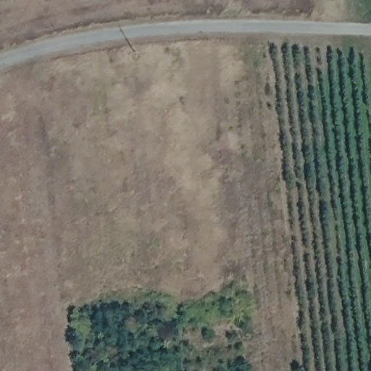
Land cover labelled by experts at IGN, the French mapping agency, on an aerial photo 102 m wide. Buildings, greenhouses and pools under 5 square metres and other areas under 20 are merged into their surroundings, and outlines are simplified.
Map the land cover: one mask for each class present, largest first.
<instances>
[{"label":"agricultural land","instance_id":"1","mask_svg":"<svg viewBox=\"0 0 371 371\"><path fill-rule=\"evenodd\" d=\"M285 35L275 32H200L190 35L142 36L120 41L97 42L75 46L68 52L38 55L28 61L17 62L10 65L9 74L0 77V371H72L71 358L77 355V351H71L70 345L75 338L72 313H80V307L84 304H99L101 300L117 290H123L126 300L136 296L138 291L146 293L152 290L165 291L181 301L200 300L209 291H219L223 284L233 281L241 290L254 293L257 310L251 313V325L255 333L262 332L261 338L242 343V357L252 365L251 371H294L299 370V364L303 361L299 328V304L294 288L293 254L290 246L291 236H296L300 280L306 281L304 254L303 246L296 188H291L287 190L285 187L281 171L283 152L278 139L280 132L275 112V77L270 57V43L275 45H281L284 43Z\"/></svg>","mask_w":371,"mask_h":371},{"label":"deciduous trees","instance_id":"2","mask_svg":"<svg viewBox=\"0 0 371 371\"><path fill-rule=\"evenodd\" d=\"M270 57L275 77V112L280 132L278 139L283 152L281 171L285 187L287 190L291 188L287 175L280 71L275 45L270 43ZM288 123L291 136H296L287 43H284L281 45ZM303 51L313 141L306 145L301 81L300 74H296L294 81L299 104L304 167H299L296 143H291V149L296 177L306 180L322 326H316L314 319L309 254H304L306 281L316 371H341L338 322L333 301L332 267L326 232V209L320 185L322 181L317 152V130L314 123L309 48L304 46ZM316 191L319 194L320 228L328 277L329 312L332 319L330 323H326L325 317L313 213V193ZM328 75L322 78V70H316L322 107L320 114L323 148L328 167L330 206L335 207L330 158L336 157L339 200L345 233L346 261L336 258V264L348 371H371V58L364 61V55L359 52L354 54V48H349L348 58H342V51L328 46ZM296 188L303 246L307 245V236L304 226L303 193L300 183H296ZM293 254L294 288L299 304V328H303L304 320L300 280L296 236H291L290 246ZM75 338L70 345L71 351H77V355L71 358L72 371H181L184 359L178 354L180 348L164 346V341H167L170 333H178L175 319H155L154 314L135 317V313L129 312L128 301L104 303L101 300L99 304H84L80 307V313H72ZM252 365L242 357L228 359V368L225 370L216 367L210 371H251Z\"/></svg>","mask_w":371,"mask_h":371},{"label":"herbaceous vegetation","instance_id":"3","mask_svg":"<svg viewBox=\"0 0 371 371\"><path fill-rule=\"evenodd\" d=\"M288 17H300L312 22L371 23V0H0V52L12 51L28 41L55 38L59 33L70 35L88 30L123 29V26L128 25L175 20H285ZM284 43H287L296 136H291L288 123L281 45H275L280 71L287 175L291 188H296V183H300L303 193L304 226L307 236V245L303 246L304 254H309L314 319L316 326H322L306 180L296 177L291 149V143H296L299 167H304L299 104L294 81L296 74H300L301 81L306 145L313 141L303 51L304 46L309 48L314 123L317 130V152L322 181L320 185L326 209V232L332 267L333 301L338 322L341 371H348L336 264V258L346 261L345 233L339 200L336 157L330 158L335 207L330 206L328 167L323 148L320 114L322 107L316 70H322V78L328 75V46L342 51V58H348L349 48H354V54L359 52L364 55V61L371 58V36L294 33L285 35ZM313 213L325 317L326 323H330L332 319L329 312L328 277L320 228L319 194L316 191L313 193ZM304 320L303 328H299L303 361L299 364V370L294 371H316L306 281L300 280ZM239 326L235 323H222L213 329L201 328V333L187 332L185 339L196 349L228 345V338L236 336Z\"/></svg>","mask_w":371,"mask_h":371},{"label":"brushwood","instance_id":"4","mask_svg":"<svg viewBox=\"0 0 371 371\"><path fill-rule=\"evenodd\" d=\"M123 290H117L101 300L104 303L128 301L129 312L135 313V317L154 314L155 319H175L178 333H170L167 341H164V346L180 348L178 354L184 359L181 371H210L216 367L225 370L228 368V359L242 357V343L261 338L262 332L255 333L251 325V313L257 310L254 293L241 290L233 281L223 284L219 291H209L200 300L181 301L165 291L152 290L146 293L138 291L136 296L126 300ZM222 323H235L239 326L236 336L228 338V345L196 349L185 339L187 332L201 333V328L213 329Z\"/></svg>","mask_w":371,"mask_h":371},{"label":"impervious surface","instance_id":"5","mask_svg":"<svg viewBox=\"0 0 371 371\"><path fill-rule=\"evenodd\" d=\"M200 32H275L285 35L294 33L371 36V23L312 22L300 17H288L285 20H175L128 25L123 26V29L88 30L70 35L59 33L55 38L28 41L12 51L0 52V77L9 74L10 65L17 62L28 61L38 55L68 52L75 46L97 42L120 41L142 36L190 35Z\"/></svg>","mask_w":371,"mask_h":371}]
</instances>
